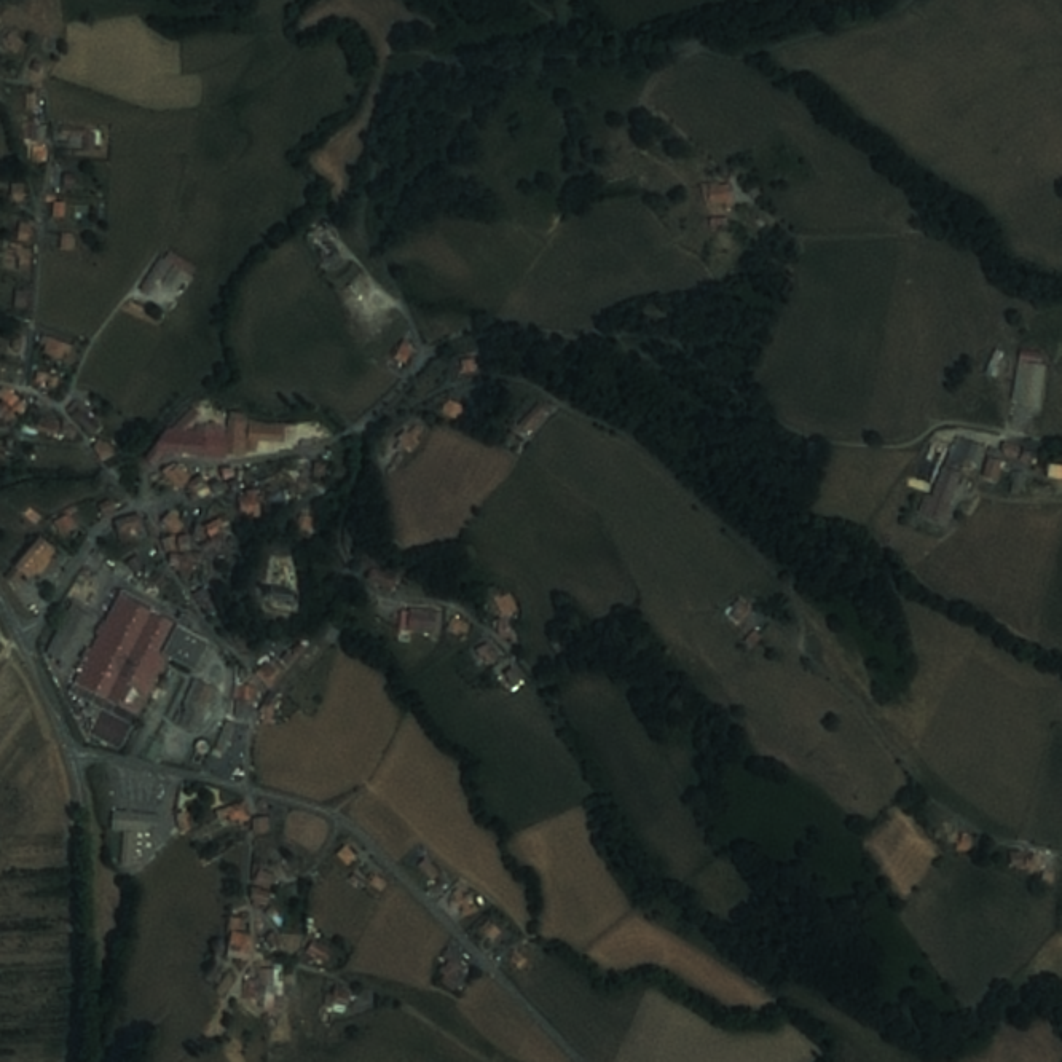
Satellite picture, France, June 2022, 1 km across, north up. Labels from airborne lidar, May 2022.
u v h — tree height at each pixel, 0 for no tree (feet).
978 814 0
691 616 0
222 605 53
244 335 0
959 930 0
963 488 0
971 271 0
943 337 0
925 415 0
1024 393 0
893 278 0
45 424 0
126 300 0
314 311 0
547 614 0
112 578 0
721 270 0
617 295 0
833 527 51
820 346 0
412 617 0
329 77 0
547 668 60
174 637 0
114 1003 56
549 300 0
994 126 0
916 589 54
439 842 0
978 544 0
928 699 0
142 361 0
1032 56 0
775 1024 52
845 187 0
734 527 22
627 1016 0
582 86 0
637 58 60
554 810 0
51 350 0
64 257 0
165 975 0
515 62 48
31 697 0
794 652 0
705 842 27
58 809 0
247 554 53
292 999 0
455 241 0
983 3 0
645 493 0
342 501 62
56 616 49
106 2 0
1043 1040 0
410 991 0
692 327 63
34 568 0
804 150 0
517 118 31
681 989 50
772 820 0
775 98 0
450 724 0
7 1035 20
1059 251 0
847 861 0
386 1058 0
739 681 0
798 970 90
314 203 45
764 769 56
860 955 87
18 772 0
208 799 29
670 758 0
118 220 0
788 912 63
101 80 0
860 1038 0
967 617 65
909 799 60
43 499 0
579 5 51
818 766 0
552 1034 0
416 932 0
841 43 0
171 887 0
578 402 32
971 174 0
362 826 0
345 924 0
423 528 0
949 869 0
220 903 0
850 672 0
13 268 0
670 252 0
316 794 0
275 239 40
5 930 22
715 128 0
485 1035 0
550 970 0
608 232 0
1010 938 0
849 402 0
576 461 0
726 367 69
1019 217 0
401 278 63
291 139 0
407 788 0
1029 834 0
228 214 0
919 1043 64
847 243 0
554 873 0
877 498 0
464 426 61
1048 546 0
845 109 45
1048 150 0
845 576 87
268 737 0
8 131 36
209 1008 0
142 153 0
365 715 0
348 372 0
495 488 0
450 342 22
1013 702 0
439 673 0
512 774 0
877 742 0
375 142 41
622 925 0
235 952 0
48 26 0
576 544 0
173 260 0
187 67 0
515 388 0
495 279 0
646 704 71
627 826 24
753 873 72
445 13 51
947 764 0
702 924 43
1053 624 0
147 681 0
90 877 64
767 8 59
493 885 0
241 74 0
